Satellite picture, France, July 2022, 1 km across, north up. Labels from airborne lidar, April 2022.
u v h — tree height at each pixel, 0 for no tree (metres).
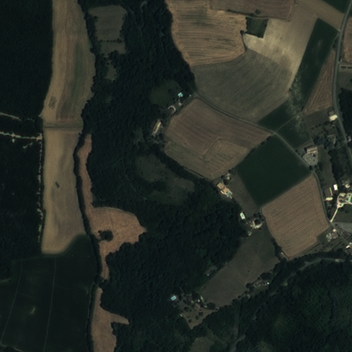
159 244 16
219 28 0
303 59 0
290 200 0
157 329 9
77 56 0
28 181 7
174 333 8
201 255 20
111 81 7
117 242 0
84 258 0
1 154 6
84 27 0
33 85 16
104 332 0
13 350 12
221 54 0
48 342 0
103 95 6
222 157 0
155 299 16
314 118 0
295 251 0
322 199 0
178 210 17
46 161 0
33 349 0
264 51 0
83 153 0
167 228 8
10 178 6
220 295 0
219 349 5
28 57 18
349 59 0
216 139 0
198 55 0
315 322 15
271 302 24
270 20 0
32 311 0
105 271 0
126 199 10
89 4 7
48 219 0
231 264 0
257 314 12
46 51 16
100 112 20
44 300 0
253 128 0
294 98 0
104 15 0
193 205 13
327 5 0
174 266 16
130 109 17
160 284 24
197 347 0
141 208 19
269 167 0
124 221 0
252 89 0
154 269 24
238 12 0
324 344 16
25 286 0
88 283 0
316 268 12
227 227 19
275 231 0
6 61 19
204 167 0
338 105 0
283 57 0
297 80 0
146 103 12
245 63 0
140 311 20
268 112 0
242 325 13
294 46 0
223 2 0
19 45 17
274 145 0
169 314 15
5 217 6
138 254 17
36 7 10
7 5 12
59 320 0
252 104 0
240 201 0
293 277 7
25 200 7
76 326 0
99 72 13
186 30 0
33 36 12
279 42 0
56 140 0
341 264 9
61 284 0
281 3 0
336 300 15
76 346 0
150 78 17
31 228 7
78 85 0
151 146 7
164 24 26
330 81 0
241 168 0
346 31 0
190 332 10
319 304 16
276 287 22
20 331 0
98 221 0
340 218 0
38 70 20
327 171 0
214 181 0
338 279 7
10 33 15
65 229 0
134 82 13
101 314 0
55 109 0
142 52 23
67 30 0
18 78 16
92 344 13
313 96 0
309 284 14
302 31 0
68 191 0
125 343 16
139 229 0
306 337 16
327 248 0
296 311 17
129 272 20
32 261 0
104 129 15
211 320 14
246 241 0
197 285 6
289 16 0
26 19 13
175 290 14
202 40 0
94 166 16
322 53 0
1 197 5
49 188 0
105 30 0
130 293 17
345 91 12
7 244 25
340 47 0
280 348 13
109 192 13
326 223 0
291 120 0
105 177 15
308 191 0
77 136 0
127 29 9
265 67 0
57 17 0
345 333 11
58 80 0
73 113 0
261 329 20
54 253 0
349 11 0
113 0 17
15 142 6
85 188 0
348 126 12
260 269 0
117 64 6
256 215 12
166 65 19
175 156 0
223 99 0
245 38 0
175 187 0
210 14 0
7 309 0
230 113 0
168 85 0
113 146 16
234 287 0
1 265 22
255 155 0
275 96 0
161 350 8
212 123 0
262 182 0
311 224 0
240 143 0
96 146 19
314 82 0
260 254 0
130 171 9
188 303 9
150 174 0
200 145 0
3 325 0
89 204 0
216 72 0
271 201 0
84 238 0
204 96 0
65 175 0
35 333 0
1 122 8
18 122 13
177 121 0
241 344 17
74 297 0
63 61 0
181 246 24
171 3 0
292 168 0
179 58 18
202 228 7
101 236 6
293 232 0
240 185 0
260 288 0
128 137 13
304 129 0
